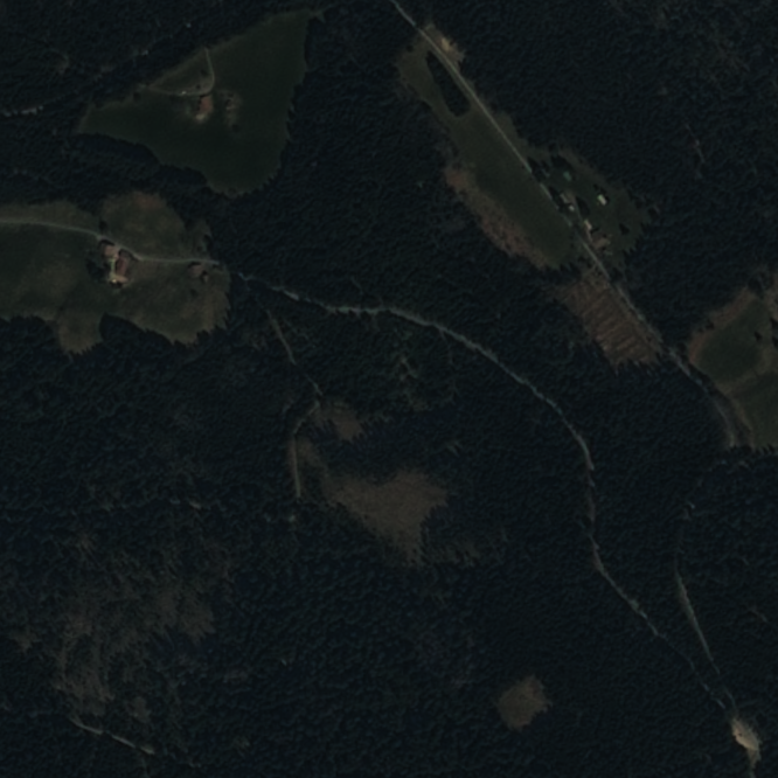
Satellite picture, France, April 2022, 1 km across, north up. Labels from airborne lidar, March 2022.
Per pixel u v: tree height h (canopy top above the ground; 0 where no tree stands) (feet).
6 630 35
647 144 76
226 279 0
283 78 0
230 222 31
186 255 0
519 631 65
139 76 64
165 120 0
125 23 54
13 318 0
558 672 68
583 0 78
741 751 91
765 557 105
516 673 94
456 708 99
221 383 49
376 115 58
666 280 72
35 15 60
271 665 97
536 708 0
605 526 67
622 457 77
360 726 123
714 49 86
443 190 27
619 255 0
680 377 81
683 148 82
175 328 0
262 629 96
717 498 59
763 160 47
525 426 71
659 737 75
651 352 78
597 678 68
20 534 56
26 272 0
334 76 22
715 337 0
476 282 52
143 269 0
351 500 0
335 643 100
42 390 42
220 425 66
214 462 82
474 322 51
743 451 26
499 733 98
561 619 64
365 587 108
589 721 58
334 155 77
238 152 0
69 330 0
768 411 0
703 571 105
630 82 76
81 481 38
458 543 73
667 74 89
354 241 49
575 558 59
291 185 74
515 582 74
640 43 96
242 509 62
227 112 0
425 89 0
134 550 38
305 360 46
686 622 70
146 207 0
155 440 42
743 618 42
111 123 0
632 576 59
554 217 0
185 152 0
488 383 43
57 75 30
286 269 69
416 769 104
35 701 41
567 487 50
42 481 22
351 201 56
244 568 46
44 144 45
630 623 78
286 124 0
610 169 67
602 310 73
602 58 76
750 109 39
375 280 47
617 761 63
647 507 74
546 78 81
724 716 84
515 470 75
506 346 66
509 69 76
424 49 0
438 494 0
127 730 33
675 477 59
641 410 89
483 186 0
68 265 0
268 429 72
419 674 105
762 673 43
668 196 60
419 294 29
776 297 0
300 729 100
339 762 89
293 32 0
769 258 78
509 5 87
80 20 56
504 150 0
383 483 80
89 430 18
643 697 58
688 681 88
